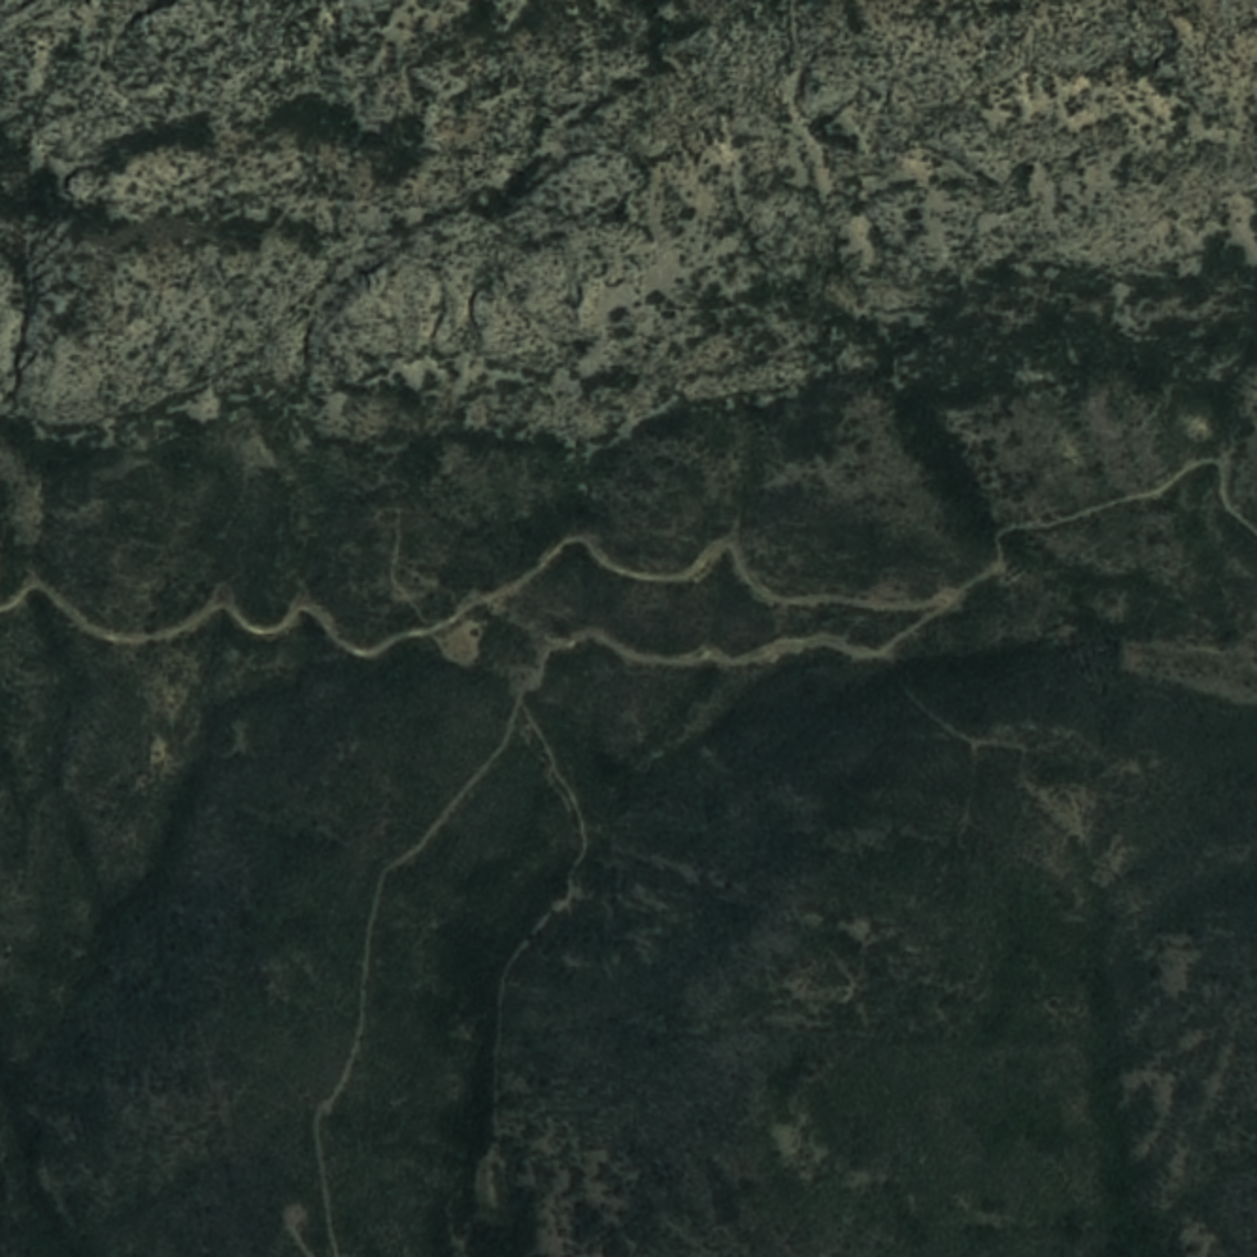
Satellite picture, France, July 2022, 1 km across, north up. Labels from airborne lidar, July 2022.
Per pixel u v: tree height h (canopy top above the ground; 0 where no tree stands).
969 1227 9
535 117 8
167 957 6
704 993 0
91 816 0
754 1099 0
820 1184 7
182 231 0
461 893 6
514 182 8
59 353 0
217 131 0
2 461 0
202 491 0
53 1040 9
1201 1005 0
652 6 9
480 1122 8
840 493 0
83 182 0
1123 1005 0
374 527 0
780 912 0
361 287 0
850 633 0
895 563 0
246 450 0
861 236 0
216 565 6
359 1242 9
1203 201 0
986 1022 6
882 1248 6
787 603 0
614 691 0
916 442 6
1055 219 0
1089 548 0
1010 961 6
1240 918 0
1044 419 0
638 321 0
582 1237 9
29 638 0
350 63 0
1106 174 0
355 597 0
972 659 5
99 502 0
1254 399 0
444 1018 7
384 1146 6
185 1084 6
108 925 7
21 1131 7
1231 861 0
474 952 6
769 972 0
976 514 6
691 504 0
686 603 0
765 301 0
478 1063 6
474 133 0
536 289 0
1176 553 0
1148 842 0
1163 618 0
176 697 0
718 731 6
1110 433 0
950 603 0
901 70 0
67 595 0
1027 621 0
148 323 0
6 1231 6
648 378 0
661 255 0
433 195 0
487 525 6
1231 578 0
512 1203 6
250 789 0
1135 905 0
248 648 0
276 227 0
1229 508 0
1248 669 0
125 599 0
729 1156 0
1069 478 0
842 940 6
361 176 0
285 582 0
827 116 6
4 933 0
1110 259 0
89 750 0
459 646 0
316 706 0
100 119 0
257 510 0
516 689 0
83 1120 7
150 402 14
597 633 0
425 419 0
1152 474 0
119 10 0
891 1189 8
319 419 0
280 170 0
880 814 5
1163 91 6
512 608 0
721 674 0
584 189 0
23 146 6
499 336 0
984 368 0
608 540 0
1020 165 6
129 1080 6
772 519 0
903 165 0
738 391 6
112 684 0
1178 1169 0
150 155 0
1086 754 0
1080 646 6
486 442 6
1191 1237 0
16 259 7
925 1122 6
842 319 11
